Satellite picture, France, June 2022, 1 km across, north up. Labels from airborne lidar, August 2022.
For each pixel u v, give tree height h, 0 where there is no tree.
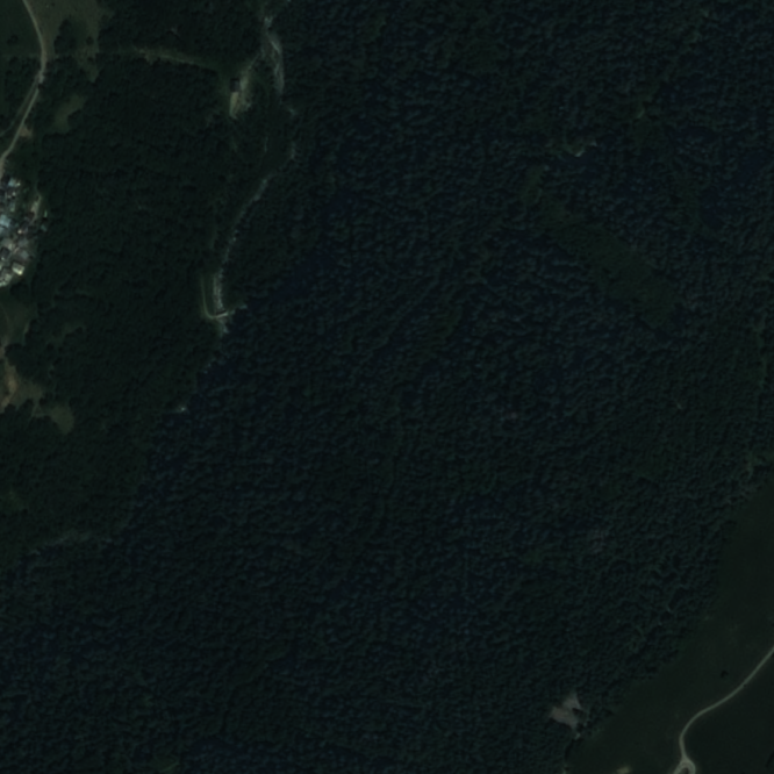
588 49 32
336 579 41
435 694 19
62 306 24
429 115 36
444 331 18
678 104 30
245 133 28
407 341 7
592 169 20
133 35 22
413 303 26
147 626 24
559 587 12
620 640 20
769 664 0
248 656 18
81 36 0
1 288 6
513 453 20
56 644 12
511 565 32
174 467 38
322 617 34
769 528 0
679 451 16
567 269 8
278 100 7
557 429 19
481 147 36
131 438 21
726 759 0
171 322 21
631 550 22
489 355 19
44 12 0
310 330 20
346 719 17
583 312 29
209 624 18
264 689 17
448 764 6
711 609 14
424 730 18
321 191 19
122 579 31
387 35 17
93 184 29
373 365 14
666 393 16
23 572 19
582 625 27
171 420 31
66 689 14
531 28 28
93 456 23
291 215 28
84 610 26
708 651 0
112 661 34
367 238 30
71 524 22
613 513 22
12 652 28
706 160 29
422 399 34
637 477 22
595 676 31
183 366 27
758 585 0
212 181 35
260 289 17
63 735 25
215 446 23
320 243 13
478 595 23
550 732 24
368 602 29
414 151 33
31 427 22
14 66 13
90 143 26
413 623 14
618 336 15
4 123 22
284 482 25
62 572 21
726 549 13
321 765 24
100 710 23
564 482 27
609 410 25
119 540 27
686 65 30
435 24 10
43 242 15
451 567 36
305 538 25
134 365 23
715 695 0
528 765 23
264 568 6
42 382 28
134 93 30
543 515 28
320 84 21
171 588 21
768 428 24
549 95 16
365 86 10
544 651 22
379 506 24
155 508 29
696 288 30
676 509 30
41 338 26
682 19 22
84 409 25
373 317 25
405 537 27
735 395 22
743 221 26
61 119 0
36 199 0
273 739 17
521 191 19
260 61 16
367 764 27
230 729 22
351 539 28
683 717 0
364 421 12
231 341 22
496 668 23
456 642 24
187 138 34
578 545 25
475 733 30
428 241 23
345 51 26
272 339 26
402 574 16
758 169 14
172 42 28
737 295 33
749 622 0
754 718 0
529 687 24
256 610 27
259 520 26
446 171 26
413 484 19
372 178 22
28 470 31
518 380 27
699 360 23
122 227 32
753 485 27
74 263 28
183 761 17
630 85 36
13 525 34
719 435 23
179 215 30
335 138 12
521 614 21
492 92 27
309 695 34
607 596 18
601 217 8
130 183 31
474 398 26
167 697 27
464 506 17
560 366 13
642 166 15
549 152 15
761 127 17
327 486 21
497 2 18
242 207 27
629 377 30
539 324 30
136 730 25
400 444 10
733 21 12
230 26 26
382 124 14
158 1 22
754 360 19
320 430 29
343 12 25
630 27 36
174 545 23
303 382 25
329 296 34
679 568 10
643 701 0
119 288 26
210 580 12
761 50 30
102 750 17
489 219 26
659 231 30
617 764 0
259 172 7
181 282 28
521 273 27
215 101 19
